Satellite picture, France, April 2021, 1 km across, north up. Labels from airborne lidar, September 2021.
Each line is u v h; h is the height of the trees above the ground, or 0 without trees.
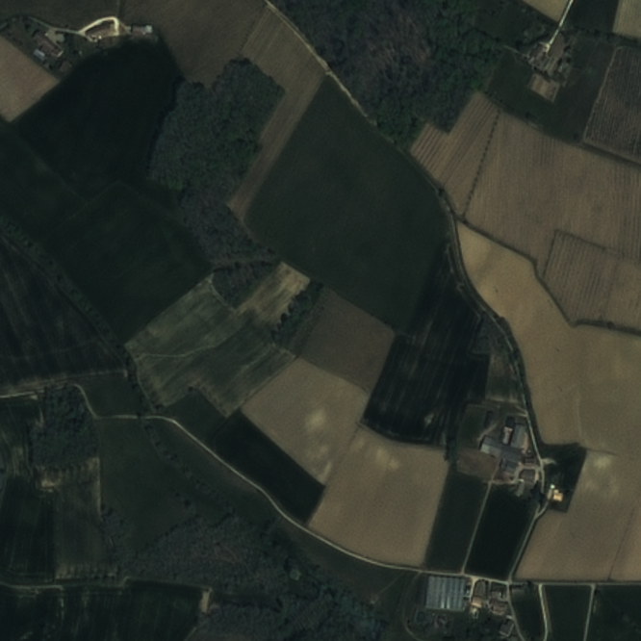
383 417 0
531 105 0
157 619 0
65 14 0
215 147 23
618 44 16
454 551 0
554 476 0
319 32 18
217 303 0
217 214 16
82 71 0
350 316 0
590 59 0
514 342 16
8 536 0
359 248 0
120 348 8
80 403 15
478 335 14
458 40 20
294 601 12
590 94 0
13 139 0
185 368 0
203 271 0
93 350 0
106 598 0
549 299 0
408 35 20
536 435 11
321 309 0
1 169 0
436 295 0
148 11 0
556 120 0
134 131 0
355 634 20
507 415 0
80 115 0
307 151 0
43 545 0
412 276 0
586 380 0
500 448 0
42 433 16
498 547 0
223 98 19
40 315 0
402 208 0
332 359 0
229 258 11
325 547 0
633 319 0
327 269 0
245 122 23
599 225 0
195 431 0
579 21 0
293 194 0
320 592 9
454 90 15
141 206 0
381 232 0
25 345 0
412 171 0
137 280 0
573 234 0
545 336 0
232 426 0
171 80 0
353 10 19
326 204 0
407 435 0
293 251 0
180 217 0
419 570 0
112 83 0
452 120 13
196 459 0
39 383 0
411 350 0
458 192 0
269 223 0
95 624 0
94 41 0
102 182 0
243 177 19
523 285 0
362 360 0
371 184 0
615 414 0
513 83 0
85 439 19
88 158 0
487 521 0
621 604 0
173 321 0
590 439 0
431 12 23
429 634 15
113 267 0
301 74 0
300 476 0
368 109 19
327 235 0
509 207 0
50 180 0
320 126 0
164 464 0
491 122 0
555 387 0
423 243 0
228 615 14
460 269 0
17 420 0
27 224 0
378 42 17
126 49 0
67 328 0
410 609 0
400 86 23
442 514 0
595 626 0
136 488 0
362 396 0
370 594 0
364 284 0
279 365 0
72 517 0
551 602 0
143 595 0
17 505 0
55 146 0
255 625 17
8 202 0
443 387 0
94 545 0
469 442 0
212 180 20
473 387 0
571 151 0
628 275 0
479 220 0
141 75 0
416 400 0
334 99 0
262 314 0
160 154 20
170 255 0
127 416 0
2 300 0
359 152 0
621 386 0
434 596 0
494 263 0
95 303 0
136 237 0
